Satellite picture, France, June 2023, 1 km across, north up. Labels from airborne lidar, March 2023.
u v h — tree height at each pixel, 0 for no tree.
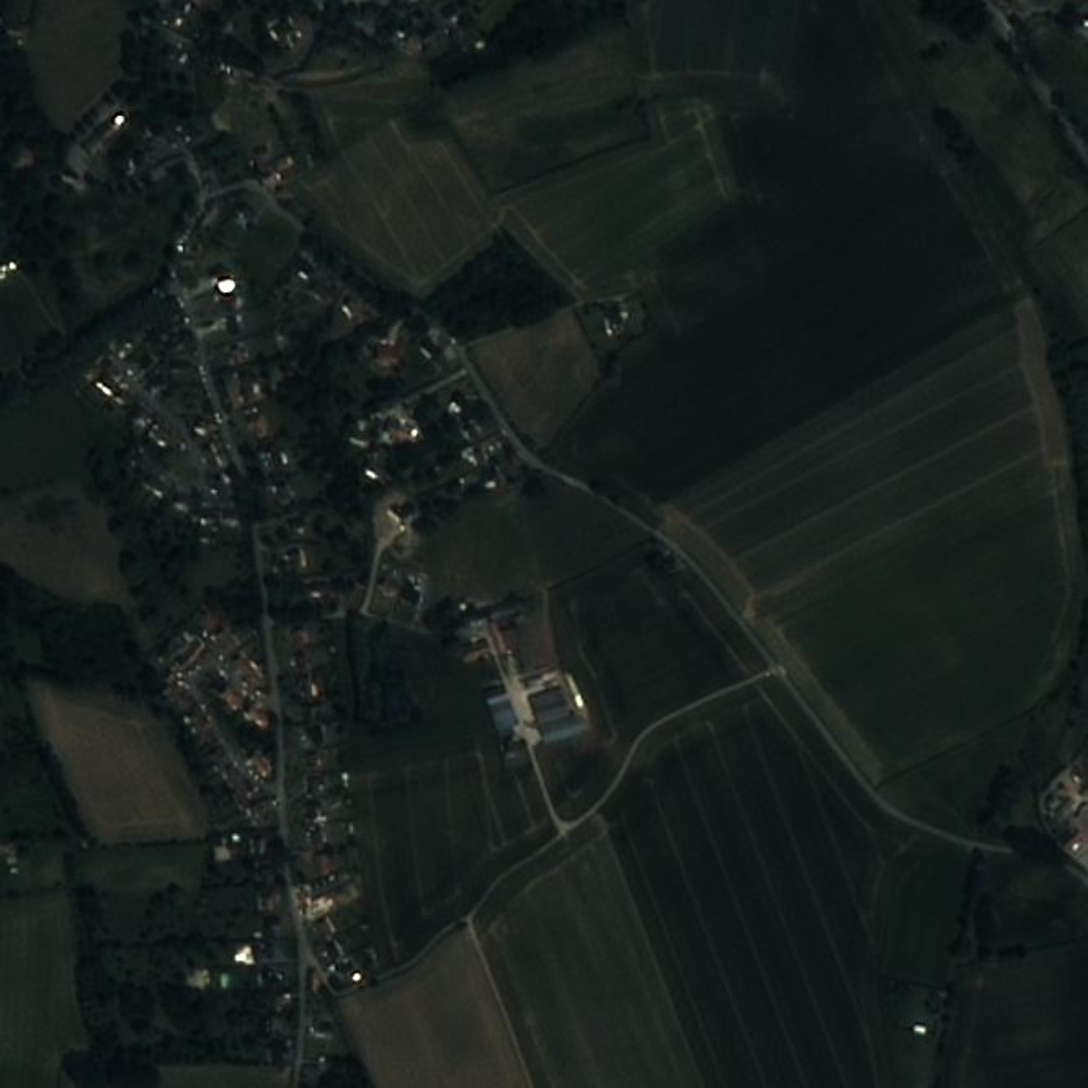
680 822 0
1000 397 0
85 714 0
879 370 0
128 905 0
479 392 0
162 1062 7
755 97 0
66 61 0
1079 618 0
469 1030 0
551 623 0
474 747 0
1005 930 0
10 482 0
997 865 0
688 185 0
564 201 0
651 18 0
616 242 0
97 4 0
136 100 20
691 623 0
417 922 0
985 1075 0
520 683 0
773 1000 0
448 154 0
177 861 0
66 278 27
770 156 0
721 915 0
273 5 15
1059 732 0
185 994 12
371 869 0
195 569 0
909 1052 0
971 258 0
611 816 0
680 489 0
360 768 0
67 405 0
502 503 0
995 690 0
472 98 0
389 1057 0
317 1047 0
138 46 18
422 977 0
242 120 0
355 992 0
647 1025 0
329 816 0
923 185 0
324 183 0
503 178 0
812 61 0
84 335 16
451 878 0
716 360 0
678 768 0
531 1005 0
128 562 18
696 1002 0
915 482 0
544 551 0
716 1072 0
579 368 0
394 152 0
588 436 0
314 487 0
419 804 0
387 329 7
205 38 8
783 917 0
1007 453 0
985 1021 0
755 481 0
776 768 0
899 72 0
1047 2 0
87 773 0
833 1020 0
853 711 0
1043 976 0
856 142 0
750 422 0
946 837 0
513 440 0
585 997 0
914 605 0
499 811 0
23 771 0
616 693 0
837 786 0
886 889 0
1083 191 0
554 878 0
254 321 0
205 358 0
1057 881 0
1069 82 0
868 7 0
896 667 0
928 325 0
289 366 7
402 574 0
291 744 0
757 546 0
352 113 0
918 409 0
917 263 0
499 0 0
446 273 0
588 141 0
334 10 11
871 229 0
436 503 10
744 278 0
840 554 0
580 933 0
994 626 0
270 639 0
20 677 12
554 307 15
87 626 7
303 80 0
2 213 25
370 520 0
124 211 0
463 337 8
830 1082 0
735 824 0
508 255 12
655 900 0
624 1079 0
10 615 11
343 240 0
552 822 0
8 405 21
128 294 0
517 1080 0
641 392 0
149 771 0
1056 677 0
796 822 0
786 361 0
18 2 0
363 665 14
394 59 0
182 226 15
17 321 0
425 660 0
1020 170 0
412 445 14
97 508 0
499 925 0
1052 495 0
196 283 0
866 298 0
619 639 0
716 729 0
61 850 0
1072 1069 0
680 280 0
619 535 0
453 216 0
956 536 0
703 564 0
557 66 0
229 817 0
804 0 0
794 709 0
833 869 0
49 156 19
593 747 0
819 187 0
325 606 9
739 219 0
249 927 0
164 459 10
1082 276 0
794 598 0
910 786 0
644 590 0
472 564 0
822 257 0
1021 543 0
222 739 0
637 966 0
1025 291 0
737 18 0
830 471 0
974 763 0
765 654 0
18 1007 0
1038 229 0
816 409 0
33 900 0
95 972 19
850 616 0
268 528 0
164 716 17
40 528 0
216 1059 7
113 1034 14
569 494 0
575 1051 0
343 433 7
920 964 0
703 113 0
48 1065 0
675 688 0
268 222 0
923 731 0
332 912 0
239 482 15
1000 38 0
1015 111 0
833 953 0
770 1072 0
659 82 0
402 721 11
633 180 0
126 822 0
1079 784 0
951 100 0
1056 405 0
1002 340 0
